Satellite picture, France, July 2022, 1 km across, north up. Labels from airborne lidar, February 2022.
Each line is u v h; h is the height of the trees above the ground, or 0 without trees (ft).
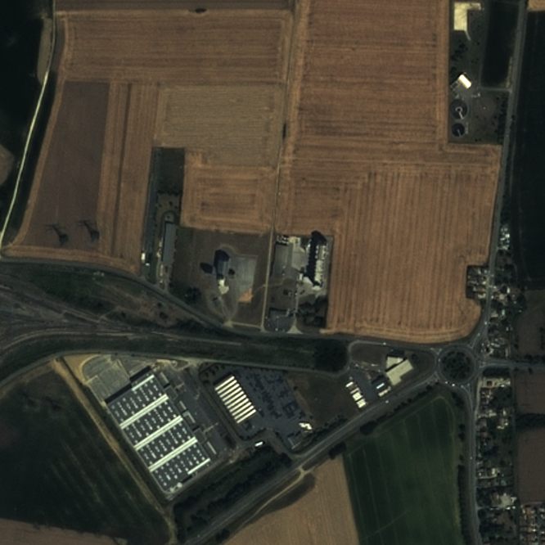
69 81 0
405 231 0
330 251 0
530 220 0
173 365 0
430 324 0
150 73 0
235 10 0
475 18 0
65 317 0
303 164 0
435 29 0
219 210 0
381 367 0
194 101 0
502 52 0
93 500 0
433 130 0
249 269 0
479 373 0
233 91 0
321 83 0
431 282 0
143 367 0
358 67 0
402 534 0
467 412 0
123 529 0
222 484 41
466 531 60
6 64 0
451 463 0
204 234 0
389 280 0
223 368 31
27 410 0
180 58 0
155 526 0
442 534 0
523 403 0
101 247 0
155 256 0
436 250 0
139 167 0
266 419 0
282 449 0
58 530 0
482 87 0
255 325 0
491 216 0
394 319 0
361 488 0
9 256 0
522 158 0
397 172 0
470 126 0
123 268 0
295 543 0
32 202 0
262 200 0
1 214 31
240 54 0
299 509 0
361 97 0
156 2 0
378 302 0
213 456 0
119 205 0
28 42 0
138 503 0
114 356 0
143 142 0
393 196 0
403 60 0
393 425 0
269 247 0
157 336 0
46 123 0
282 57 0
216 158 0
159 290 0
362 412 0
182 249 0
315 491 0
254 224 0
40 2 0
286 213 0
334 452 31
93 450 0
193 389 0
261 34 0
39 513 0
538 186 0
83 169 0
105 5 0
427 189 0
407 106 0
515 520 31
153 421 0
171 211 0
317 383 0
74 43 0
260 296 0
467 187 0
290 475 0
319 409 0
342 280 0
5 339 0
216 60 0
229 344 0
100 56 0
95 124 0
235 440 0
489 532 60
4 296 0
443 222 0
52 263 0
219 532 0
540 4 0
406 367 0
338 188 0
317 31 0
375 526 0
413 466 0
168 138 0
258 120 0
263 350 0
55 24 0
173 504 0
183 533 42
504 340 0
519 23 0
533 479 0
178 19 0
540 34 0
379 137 0
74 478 0
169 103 0
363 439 0
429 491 0
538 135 0
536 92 0
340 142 0
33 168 0
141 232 0
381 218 0
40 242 0
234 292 0
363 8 0
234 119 0
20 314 0
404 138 0
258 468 0
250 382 0
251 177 0
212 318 0
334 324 0
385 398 0
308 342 0
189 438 0
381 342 0
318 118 0
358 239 0
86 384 0
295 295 0
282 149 0
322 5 0
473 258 0
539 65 0
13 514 0
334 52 0
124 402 0
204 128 0
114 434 0
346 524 0
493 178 0
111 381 0
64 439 0
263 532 0
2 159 0
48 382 0
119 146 0
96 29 0
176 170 0
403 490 0
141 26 0
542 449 0
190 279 0
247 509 0
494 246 0
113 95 0
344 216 0
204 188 0
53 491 0
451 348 0
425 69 0
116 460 0
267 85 0
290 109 0
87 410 0
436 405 0
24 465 0
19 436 0
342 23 0
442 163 0
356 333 0
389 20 0
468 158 0
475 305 0
